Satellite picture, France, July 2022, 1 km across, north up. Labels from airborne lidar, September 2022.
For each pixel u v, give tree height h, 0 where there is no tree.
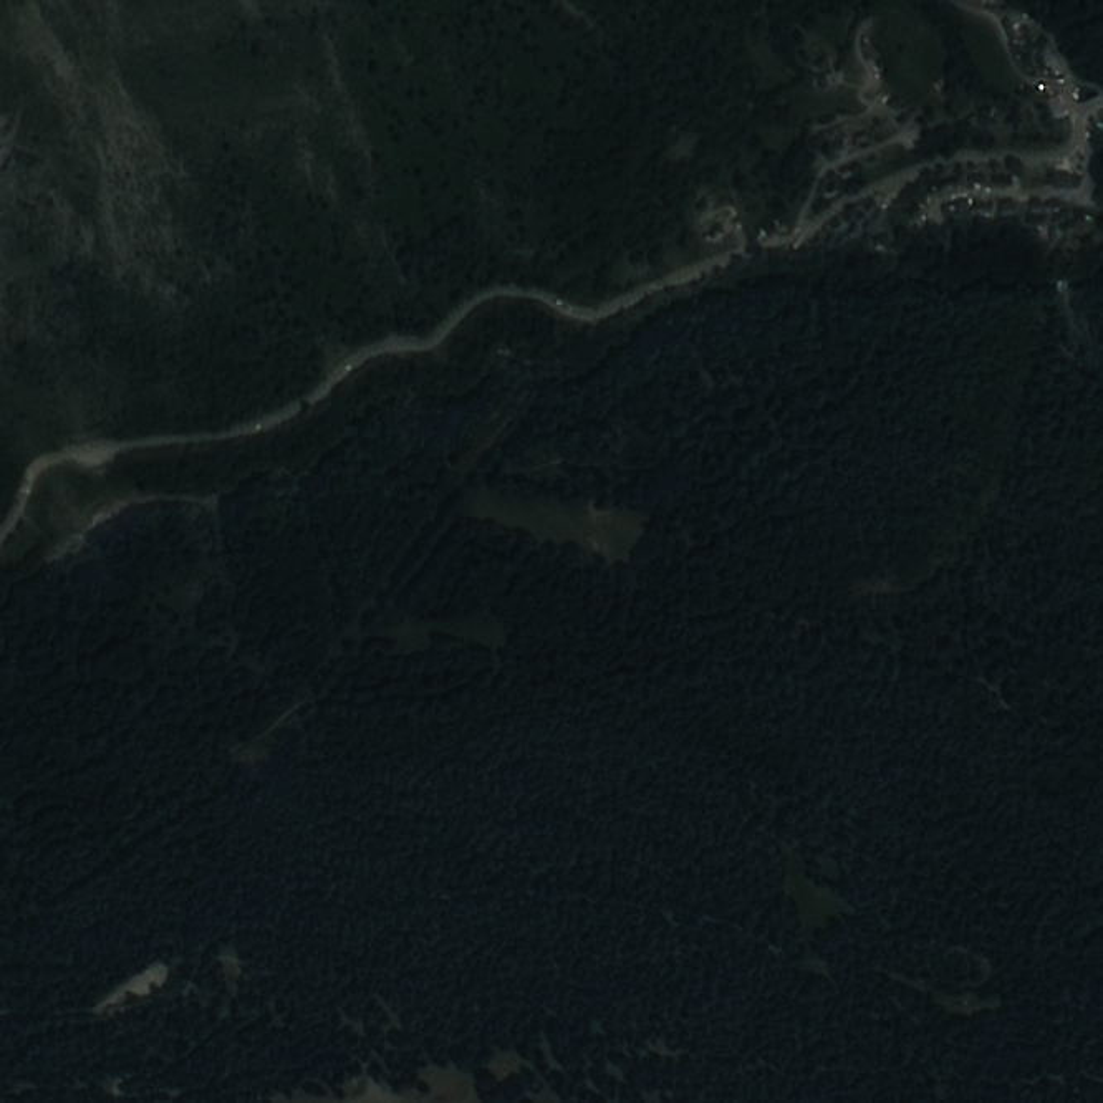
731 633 18
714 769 21
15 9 0
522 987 24
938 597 23
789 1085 20
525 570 19
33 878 12
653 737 19
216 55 6
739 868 19
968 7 0
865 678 19
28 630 16
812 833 23
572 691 12
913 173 0
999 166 7
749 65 8
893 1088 15
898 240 7
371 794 19
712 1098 19
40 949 13
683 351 29
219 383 9
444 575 20
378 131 7
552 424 26
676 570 18
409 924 18
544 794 20
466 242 13
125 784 16
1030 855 23
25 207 8
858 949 21
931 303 35
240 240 6
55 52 0
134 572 12
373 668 16
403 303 8
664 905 27
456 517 17
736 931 14
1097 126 18
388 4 6
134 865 11
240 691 9
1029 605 21
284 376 11
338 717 14
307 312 6
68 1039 20
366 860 28
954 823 32
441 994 23
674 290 28
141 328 6
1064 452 24
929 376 14
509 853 16
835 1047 22
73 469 0
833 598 17
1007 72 0
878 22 0
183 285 6
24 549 0
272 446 13
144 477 9
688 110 13
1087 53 24
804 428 24
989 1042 20
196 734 10
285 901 20
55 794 18
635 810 20
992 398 15
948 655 15
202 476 13
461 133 6
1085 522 17
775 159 12
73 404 0
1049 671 23
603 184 17
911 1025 18
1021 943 19
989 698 21
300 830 16
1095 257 13
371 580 22
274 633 11
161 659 7
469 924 21
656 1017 15
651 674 17
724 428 21
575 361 18
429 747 18
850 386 30
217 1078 20
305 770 12
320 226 5
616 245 12
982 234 12
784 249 6
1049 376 31
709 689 22
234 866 19
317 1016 14
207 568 0
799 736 18
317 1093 19
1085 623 18
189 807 9
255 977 13
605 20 10
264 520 26
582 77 16
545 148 7
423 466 24
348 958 16
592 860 14
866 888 25
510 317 11
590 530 0
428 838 14
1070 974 24
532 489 18
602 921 11
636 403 34
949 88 11
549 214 8
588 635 17
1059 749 19
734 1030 19
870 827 22
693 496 20
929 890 19
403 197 7
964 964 12
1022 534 16
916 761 20
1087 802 28
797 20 16
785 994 15
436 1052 21
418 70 6
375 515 14
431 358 15
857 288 19
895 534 16
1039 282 24
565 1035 28
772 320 25
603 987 16
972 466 20
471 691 16
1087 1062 17
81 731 10
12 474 8
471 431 18
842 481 19
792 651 15
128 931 15
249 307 6
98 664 25
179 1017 13
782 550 12
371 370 11
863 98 0
